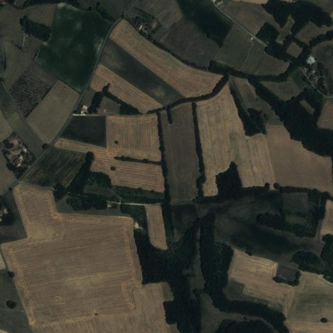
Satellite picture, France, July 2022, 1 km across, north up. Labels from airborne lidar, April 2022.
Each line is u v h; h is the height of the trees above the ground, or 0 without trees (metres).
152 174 0
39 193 0
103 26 0
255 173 0
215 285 12
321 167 0
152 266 15
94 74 0
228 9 0
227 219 0
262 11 0
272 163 0
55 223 0
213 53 0
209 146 0
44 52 0
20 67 0
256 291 0
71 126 0
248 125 13
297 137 10
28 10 0
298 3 13
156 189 0
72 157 0
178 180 0
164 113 0
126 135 0
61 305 0
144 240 7
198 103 0
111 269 0
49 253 0
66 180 0
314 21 14
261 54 0
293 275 0
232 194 17
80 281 0
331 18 14
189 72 0
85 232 0
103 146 0
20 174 7
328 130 13
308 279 0
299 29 11
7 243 0
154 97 0
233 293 0
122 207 13
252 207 0
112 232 0
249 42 0
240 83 0
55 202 0
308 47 14
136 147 0
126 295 0
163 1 0
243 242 0
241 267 0
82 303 0
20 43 0
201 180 15
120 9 0
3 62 7
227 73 12
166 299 0
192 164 0
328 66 0
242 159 0
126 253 0
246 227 0
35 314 0
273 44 8
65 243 0
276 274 0
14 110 0
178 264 15
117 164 0
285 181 0
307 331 0
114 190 0
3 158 0
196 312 13
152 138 0
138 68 0
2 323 0
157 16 0
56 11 0
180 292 8
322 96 9
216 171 0
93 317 0
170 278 15
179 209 0
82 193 9
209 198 14
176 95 0
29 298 0
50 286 0
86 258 0
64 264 0
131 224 0
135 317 0
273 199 0
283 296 0
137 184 0
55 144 0
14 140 0
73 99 0
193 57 0
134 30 0
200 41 0
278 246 0
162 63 0
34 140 0
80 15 0
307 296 0
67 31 0
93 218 0
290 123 17
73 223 0
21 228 0
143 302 0
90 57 0
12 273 20
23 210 0
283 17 12
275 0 17
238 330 19
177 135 0
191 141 0
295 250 0
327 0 0
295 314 0
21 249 0
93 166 0
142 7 0
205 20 0
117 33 0
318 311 0
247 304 12
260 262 0
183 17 0
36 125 0
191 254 16
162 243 0
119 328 0
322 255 10
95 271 0
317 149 13
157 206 0
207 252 15
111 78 0
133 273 0
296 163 0
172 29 0
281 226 17
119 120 0
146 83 0
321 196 8
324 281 0
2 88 0
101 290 0
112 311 0
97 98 18
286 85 0
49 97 0
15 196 0
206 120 0
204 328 0
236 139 0
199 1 0
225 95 0
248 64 0
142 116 0
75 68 0
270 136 0
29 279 0
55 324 0
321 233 0
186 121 0
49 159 0
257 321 8
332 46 0
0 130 0
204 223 17
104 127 0
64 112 0
